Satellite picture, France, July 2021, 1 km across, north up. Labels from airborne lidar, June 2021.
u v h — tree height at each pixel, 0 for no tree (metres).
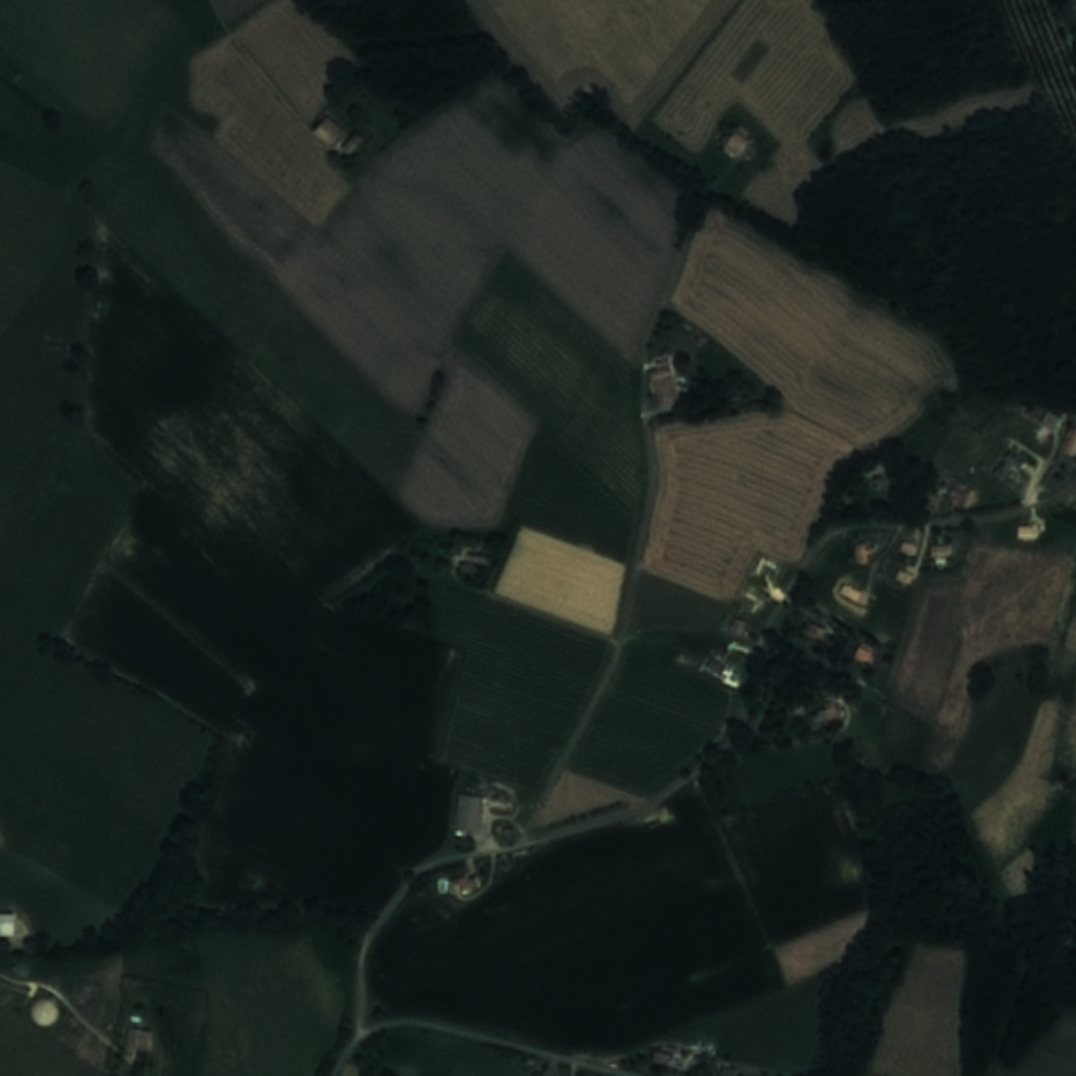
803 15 0
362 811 0
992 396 17
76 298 0
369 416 0
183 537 0
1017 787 0
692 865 0
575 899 0
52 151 0
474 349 0
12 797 0
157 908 24
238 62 0
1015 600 0
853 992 21
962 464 0
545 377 0
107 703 0
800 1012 0
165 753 0
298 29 0
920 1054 0
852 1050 13
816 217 18
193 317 0
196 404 0
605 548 0
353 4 22
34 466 0
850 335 0
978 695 18
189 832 17
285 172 0
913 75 17
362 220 0
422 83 16
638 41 0
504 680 0
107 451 0
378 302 0
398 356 0
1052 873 21
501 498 0
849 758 22
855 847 0
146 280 0
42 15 0
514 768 0
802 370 0
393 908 0
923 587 0
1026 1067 0
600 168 0
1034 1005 13
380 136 0
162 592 0
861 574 0
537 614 0
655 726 0
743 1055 0
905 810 8
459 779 0
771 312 0
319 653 0
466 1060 0
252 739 0
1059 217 24
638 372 0
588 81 0
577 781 0
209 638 0
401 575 15
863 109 0
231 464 0
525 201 0
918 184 23
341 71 21
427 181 0
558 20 0
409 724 0
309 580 0
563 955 0
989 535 0
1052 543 0
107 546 0
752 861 0
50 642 15
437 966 0
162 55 0
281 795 0
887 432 0
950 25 11
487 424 0
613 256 0
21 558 0
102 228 0
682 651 0
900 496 22
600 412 0
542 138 0
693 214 19
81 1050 0
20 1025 0
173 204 0
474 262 0
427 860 0
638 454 0
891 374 0
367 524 0
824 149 8
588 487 0
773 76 0
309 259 0
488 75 17
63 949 8
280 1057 0
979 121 15
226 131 0
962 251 13
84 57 0
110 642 0
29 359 0
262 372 0
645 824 0
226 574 0
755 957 0
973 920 28
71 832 0
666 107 0
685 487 0
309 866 0
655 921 0
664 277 0
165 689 0
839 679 16
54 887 0
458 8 15
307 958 0
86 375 8
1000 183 21
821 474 0
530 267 0
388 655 0
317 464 0
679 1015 0
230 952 0
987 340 17
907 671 0
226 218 0
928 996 0
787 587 0
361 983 0
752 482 0
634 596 0
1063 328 16
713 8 0
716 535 0
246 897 0
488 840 0
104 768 0
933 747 0
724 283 0
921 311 21
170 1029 0
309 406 0
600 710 0
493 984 0
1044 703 0
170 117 0
